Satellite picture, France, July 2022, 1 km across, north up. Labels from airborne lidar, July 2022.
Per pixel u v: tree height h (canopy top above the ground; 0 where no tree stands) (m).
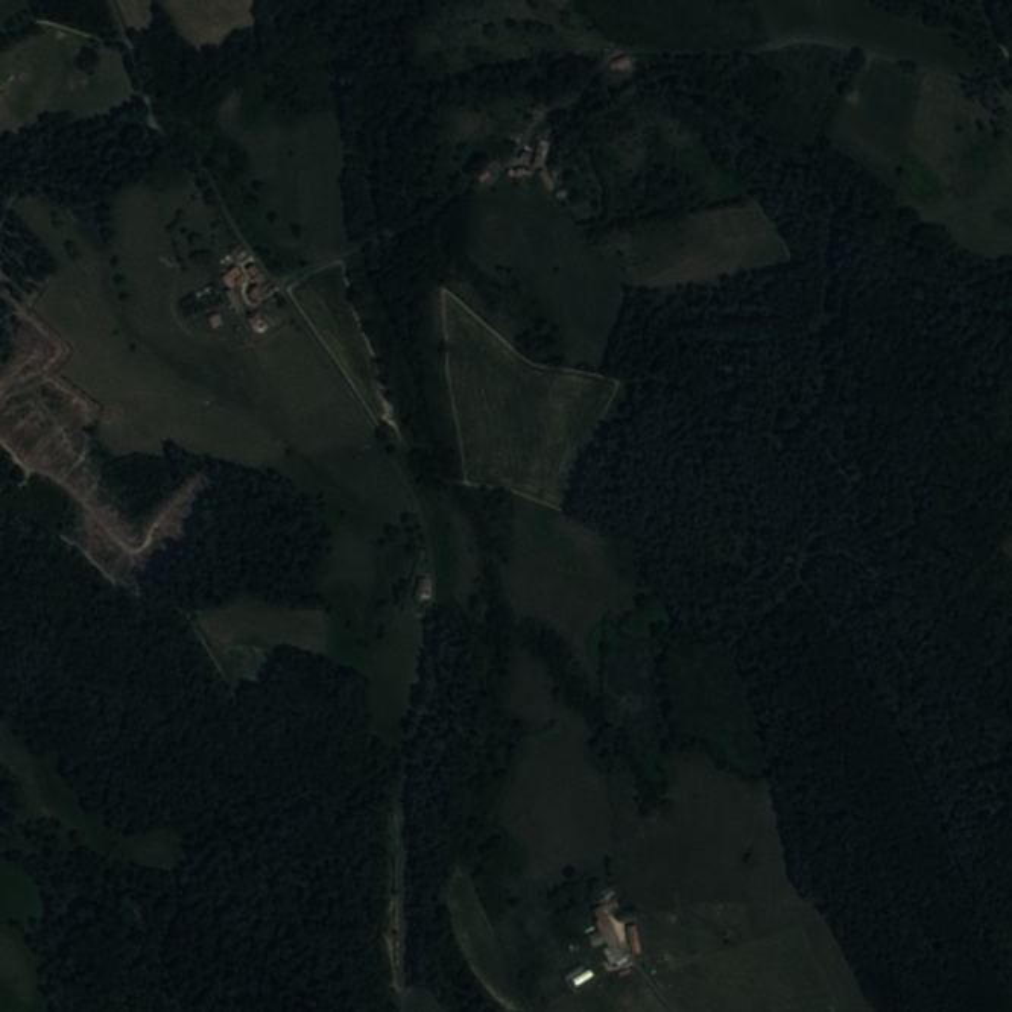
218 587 24
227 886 25
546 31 17
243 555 19
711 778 0
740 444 31
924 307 31
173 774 22
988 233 0
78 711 20
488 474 0
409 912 10
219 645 0
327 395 0
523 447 0
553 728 9
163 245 0
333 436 0
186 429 0
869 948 15
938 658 22
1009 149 0
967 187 0
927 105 0
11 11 0
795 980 0
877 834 14
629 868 0
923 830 10
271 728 22
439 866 20
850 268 33
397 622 0
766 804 0
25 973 0
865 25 0
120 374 0
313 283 0
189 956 20
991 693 22
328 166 0
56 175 17
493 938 0
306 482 0
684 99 30
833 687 12
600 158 11
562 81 22
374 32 23
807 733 12
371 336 7
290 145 0
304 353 0
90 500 0
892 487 30
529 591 0
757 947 0
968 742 21
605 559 0
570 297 0
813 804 17
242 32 12
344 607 0
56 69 0
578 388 0
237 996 7
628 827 0
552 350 12
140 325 0
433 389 0
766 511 25
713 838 0
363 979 20
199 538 23
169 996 30
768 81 6
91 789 22
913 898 18
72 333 0
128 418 0
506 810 0
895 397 25
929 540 27
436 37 0
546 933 0
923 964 21
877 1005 16
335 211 0
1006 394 29
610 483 12
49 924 14
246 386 0
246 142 0
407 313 12
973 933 8
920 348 26
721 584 21
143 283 0
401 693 0
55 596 15
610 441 17
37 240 19
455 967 20
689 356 12
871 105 0
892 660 21
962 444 22
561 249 0
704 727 0
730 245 0
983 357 35
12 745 0
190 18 0
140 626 13
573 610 0
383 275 19
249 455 0
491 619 14
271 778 19
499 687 7
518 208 0
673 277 0
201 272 0
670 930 0
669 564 22
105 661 18
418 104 22
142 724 21
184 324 0
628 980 0
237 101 0
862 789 14
